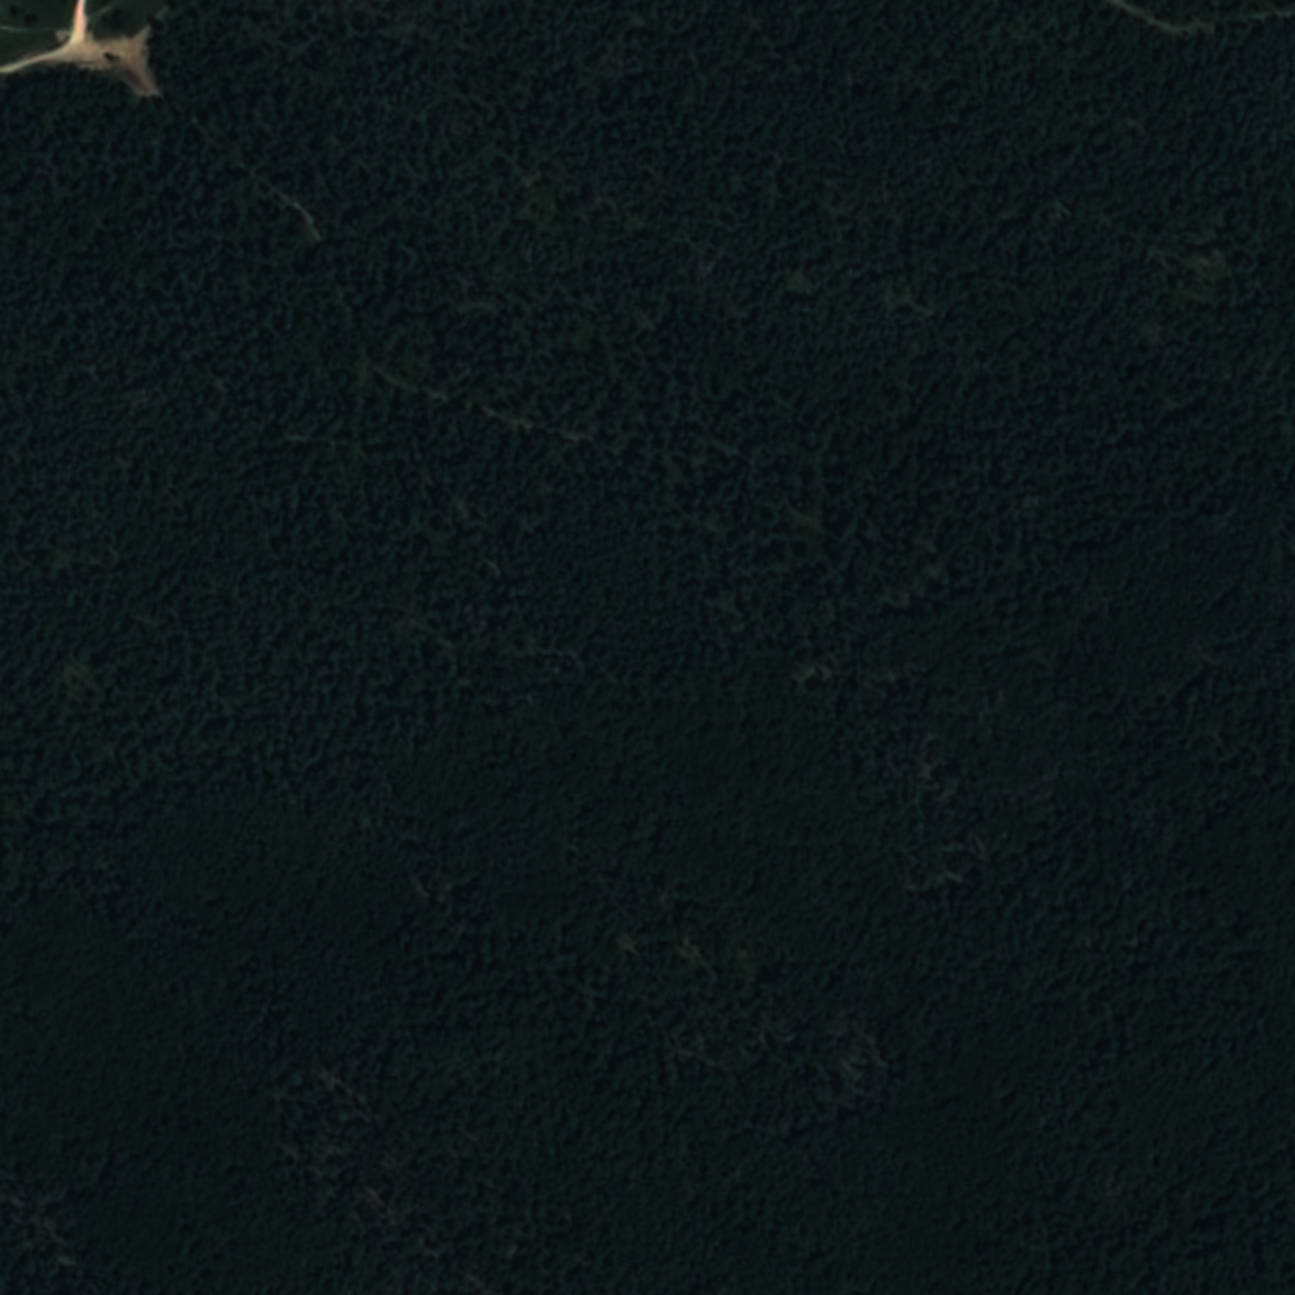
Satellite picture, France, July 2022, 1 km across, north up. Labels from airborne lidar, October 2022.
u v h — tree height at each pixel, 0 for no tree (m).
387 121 12
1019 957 24
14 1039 22
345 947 25
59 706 15
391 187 9
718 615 20
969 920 25
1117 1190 25
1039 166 20
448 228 7
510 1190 12
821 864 19
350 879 22
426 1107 18
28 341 13
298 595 18
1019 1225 21
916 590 13
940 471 31
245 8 8
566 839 22
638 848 25
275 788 33
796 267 24
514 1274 18
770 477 25
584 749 21
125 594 24
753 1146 20
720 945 21
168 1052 21
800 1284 19
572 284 20
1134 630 19
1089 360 25
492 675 12
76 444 20
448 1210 27
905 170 13
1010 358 23
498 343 21
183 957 21
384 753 16
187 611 20
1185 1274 32
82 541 22
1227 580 22
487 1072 17
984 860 20
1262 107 19
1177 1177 20
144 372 9
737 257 16
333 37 23
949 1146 22
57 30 0
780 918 21
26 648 20
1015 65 20
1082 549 16
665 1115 10
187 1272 25
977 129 25
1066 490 11
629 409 23
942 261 18
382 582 18
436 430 20
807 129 17
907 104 15
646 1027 21
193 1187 21
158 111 14
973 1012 20
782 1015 24
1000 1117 20
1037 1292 23
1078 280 12
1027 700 19
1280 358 12
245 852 18
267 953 26
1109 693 15
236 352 20
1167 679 26
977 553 8
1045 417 16
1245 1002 12
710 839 16
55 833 29
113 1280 24
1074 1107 26
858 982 23
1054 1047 26
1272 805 28
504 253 7
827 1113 30
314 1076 18
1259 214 19
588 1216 17
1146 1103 15
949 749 22
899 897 25
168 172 31
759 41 23
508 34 18
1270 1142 14
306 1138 22
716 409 24
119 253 16
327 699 17
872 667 25
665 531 9
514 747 19
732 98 12
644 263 19
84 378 18
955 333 14
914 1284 22
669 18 17
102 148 22
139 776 19
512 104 20
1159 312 15
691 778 18
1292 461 13
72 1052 20
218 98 9
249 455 23
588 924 23
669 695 20
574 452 19
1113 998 23
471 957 26
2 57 0
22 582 20
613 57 15
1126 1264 23
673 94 21
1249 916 22
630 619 18
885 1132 21
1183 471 19
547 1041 18
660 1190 16
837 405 16
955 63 21
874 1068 23
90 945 25
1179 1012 17
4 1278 14
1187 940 25
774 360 20
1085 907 21
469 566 6
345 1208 21
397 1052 21
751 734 21
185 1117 20
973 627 25
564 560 18
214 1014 25
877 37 16
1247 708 17
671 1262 17
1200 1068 17
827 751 18
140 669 17
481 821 23
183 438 22
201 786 18
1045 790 23
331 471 11
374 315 23
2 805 20
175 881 24
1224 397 21
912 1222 23
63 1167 19
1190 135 18
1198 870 28
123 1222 21
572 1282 22
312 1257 17
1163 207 22
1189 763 17
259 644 23
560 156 19
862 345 13
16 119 14
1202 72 18
